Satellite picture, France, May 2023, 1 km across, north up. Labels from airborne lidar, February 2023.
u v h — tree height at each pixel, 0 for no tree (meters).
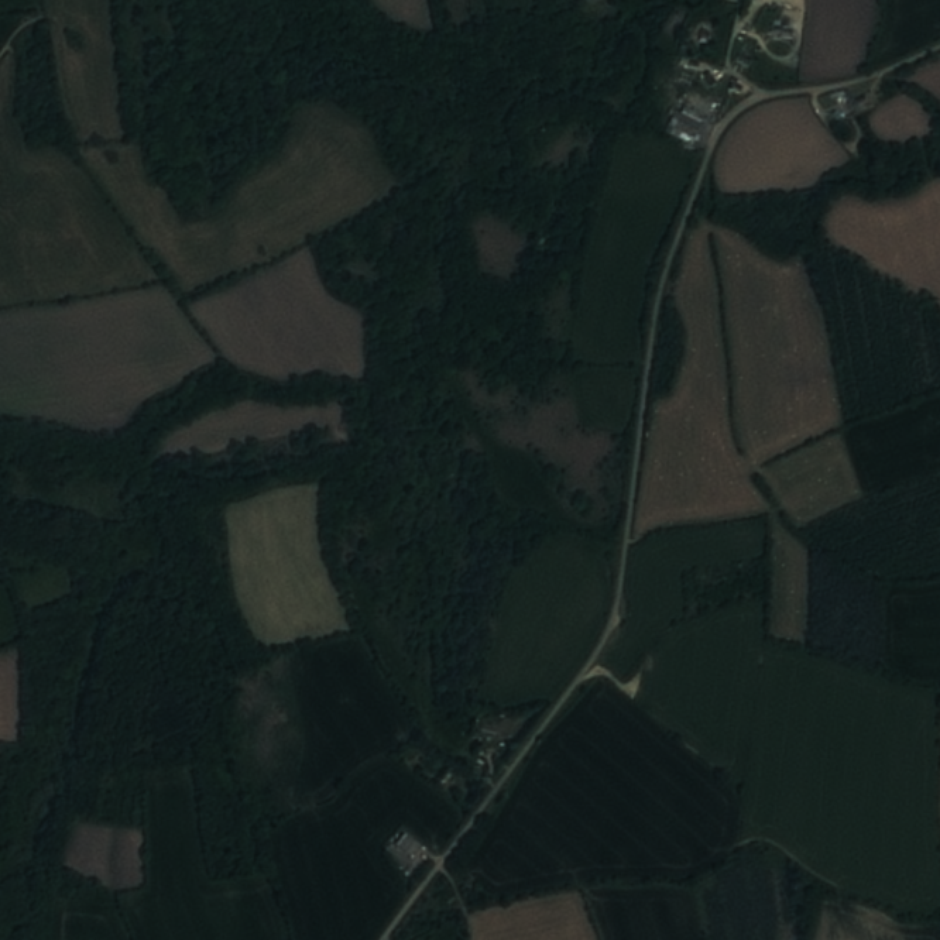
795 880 22
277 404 16
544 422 0
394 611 8
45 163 0
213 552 11
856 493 0
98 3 0
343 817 0
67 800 18
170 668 10
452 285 21
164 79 17
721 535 0
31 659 12
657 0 21
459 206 16
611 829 0
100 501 0
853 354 6
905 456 0
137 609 10
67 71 0
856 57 0
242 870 7
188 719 9
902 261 0
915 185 18
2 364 0
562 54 18
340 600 6
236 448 12
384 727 0
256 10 23
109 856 0
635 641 0
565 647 0
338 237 17
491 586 13
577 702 0
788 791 0
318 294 0
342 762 0
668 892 0
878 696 0
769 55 0
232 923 0
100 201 0
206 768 17
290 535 0
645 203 0
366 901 0
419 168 16
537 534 13
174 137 20
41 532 21
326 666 0
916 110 0
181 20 16
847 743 0
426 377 15
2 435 18
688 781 0
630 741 0
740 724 0
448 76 6
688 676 0
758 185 0
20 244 0
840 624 17
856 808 0
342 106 16
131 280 0
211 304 0
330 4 13
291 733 0
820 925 0
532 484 0
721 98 0
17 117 9
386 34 16
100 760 13
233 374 16
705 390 0
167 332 0
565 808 0
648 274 7
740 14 7
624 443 6
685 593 6
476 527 15
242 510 0
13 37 0
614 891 0
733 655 0
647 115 6
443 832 0
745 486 0
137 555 0
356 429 11
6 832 6
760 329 0
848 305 6
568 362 8
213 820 11
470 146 5
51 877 12
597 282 0
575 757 0
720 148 0
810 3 0
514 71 12
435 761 13
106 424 0
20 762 13
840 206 0
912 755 0
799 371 0
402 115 20
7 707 0
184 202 13
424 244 23
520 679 0
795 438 0
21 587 0
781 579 0
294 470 13
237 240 0
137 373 0
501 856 0
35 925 10
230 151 6
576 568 0
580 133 6
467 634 16
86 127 0
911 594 0
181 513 18
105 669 21
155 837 0
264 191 0
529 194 19
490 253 0
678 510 0
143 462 19
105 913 0
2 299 0
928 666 0
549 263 19
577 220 8
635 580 0
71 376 0
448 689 16
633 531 0
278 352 0
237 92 16
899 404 7
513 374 14
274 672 0
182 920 0
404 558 15
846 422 7
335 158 0
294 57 18
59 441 17
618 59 16
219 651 15
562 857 0
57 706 22
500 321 19
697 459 0
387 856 9
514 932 0
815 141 0
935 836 0
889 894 0
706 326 0
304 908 0
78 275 0
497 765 6
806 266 10
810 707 0
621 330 0
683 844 0
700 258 0
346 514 12
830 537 6
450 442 7
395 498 10
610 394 0
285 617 0
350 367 0
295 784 0
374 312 14
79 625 15
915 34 0
